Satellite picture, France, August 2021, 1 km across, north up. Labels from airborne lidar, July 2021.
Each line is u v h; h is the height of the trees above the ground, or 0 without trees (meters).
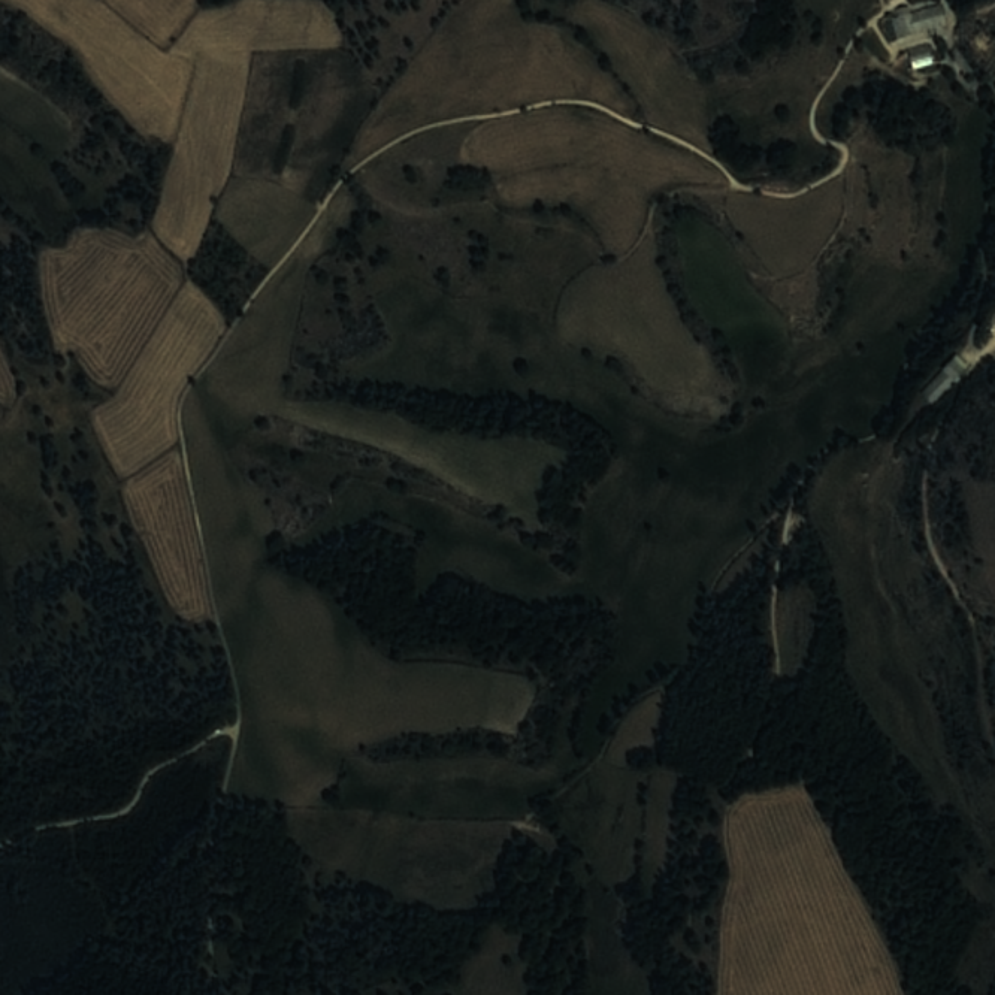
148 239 0
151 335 0
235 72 0
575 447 12
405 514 0
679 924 17
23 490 0
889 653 0
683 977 11
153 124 0
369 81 0
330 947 12
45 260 0
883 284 0
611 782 0
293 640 0
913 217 0
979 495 0
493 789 0
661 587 0
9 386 0
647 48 0
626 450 0
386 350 0
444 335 0
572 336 0
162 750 6
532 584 0
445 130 0
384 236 0
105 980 14
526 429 20
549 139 0
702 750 18
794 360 0
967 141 0
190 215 0
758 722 16
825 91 0
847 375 0
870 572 0
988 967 0
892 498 0
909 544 0
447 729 0
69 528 0
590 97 0
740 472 0
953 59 6
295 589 0
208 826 18
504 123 0
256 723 0
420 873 0
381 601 17
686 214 16
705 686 17
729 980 0
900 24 0
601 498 0
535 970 8
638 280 0
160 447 0
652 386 0
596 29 0
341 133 0
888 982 0
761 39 19
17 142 0
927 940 15
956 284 0
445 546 0
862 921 0
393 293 0
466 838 0
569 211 15
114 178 0
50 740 12
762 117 0
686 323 10
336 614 0
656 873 0
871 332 0
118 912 13
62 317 0
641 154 0
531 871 15
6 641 0
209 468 0
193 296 0
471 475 0
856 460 0
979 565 7
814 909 0
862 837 17
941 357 7
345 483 13
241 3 0
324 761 0
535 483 0
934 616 0
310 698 0
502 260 12
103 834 6
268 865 16
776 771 11
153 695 14
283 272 0
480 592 12
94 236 0
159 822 5
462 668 0
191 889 20
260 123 0
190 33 0
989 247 13
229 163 0
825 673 15
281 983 18
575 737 20
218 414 0
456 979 14
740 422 19
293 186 0
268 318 0
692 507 0
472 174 15
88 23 0
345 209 0
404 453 0
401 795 0
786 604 0
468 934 14
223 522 0
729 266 0
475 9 0
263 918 13
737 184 0
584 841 0
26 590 11
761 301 0
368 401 17
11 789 9
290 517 0
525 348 0
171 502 0
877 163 0
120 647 11
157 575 0
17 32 13
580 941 13
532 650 11
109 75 0
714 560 0
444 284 19
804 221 0
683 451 0
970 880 0
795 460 0
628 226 0
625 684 0
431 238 0
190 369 0
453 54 0
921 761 0
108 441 0
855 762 16
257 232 0
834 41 0
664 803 0
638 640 0
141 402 0
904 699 0
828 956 0
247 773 0
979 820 0
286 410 0
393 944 10
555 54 0
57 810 8
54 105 0
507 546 0
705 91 0
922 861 12
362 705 0
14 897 11
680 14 10
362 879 0
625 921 0
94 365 0
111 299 0
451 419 15
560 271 0
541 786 0
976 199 0
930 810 22
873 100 14
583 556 17
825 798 18
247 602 0
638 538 0
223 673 12
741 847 0
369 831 0
